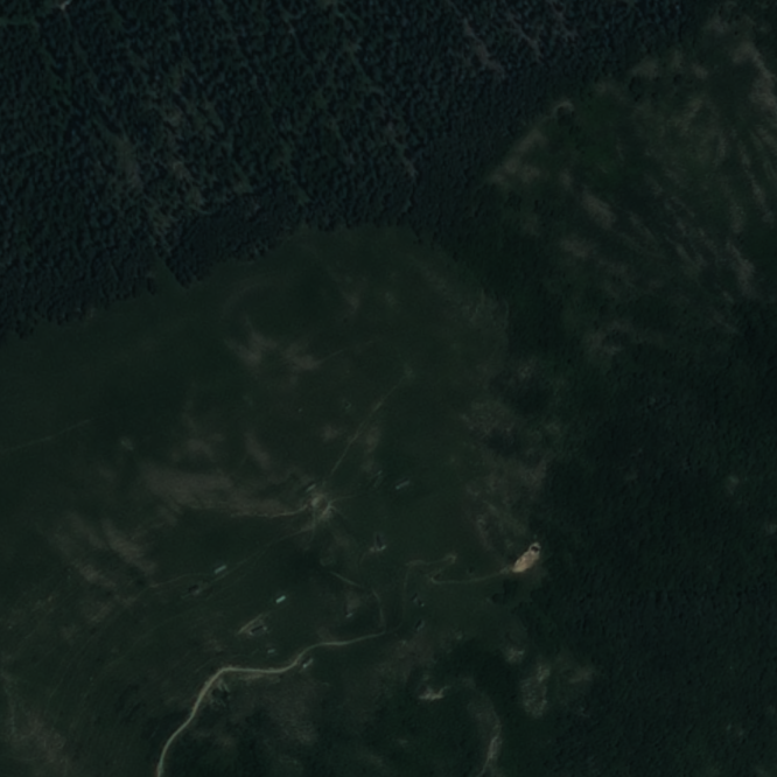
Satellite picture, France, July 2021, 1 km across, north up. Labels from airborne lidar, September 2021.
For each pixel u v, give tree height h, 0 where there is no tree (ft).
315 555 0
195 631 0
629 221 0
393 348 0
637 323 24
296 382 0
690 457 66
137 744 0
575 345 34
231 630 0
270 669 0
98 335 0
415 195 61
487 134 73
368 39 41
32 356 0
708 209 0
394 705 22
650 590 51
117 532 0
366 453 0
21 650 0
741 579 59
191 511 0
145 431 0
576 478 28
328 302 0
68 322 25
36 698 0
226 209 67
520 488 0
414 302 0
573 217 28
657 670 68
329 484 0
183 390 0
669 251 0
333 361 0
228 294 0
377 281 0
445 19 44
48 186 80
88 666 0
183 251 61
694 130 0
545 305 27
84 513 0
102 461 0
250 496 0
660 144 0
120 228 89
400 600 0
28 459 0
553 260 33
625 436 41
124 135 120
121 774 0
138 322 0
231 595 0
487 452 0
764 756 50
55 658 0
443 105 75
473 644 24
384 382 0
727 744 58
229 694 41
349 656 0
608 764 52
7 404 0
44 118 53
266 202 67
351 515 0
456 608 0
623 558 41
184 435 0
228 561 0
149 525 0
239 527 0
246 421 0
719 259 0
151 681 0
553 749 28
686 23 60
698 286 0
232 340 0
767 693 52
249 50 79
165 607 0
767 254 0
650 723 51
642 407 52
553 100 27
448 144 64
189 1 54
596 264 0
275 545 0
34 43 64
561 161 0
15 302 52
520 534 0
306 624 0
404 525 0
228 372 0
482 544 0
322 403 0
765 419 54
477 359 0
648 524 29
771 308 28
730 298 0
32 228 41
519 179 0
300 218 56
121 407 0
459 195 65
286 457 0
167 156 64
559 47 32
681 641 67
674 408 58
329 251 0
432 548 0
